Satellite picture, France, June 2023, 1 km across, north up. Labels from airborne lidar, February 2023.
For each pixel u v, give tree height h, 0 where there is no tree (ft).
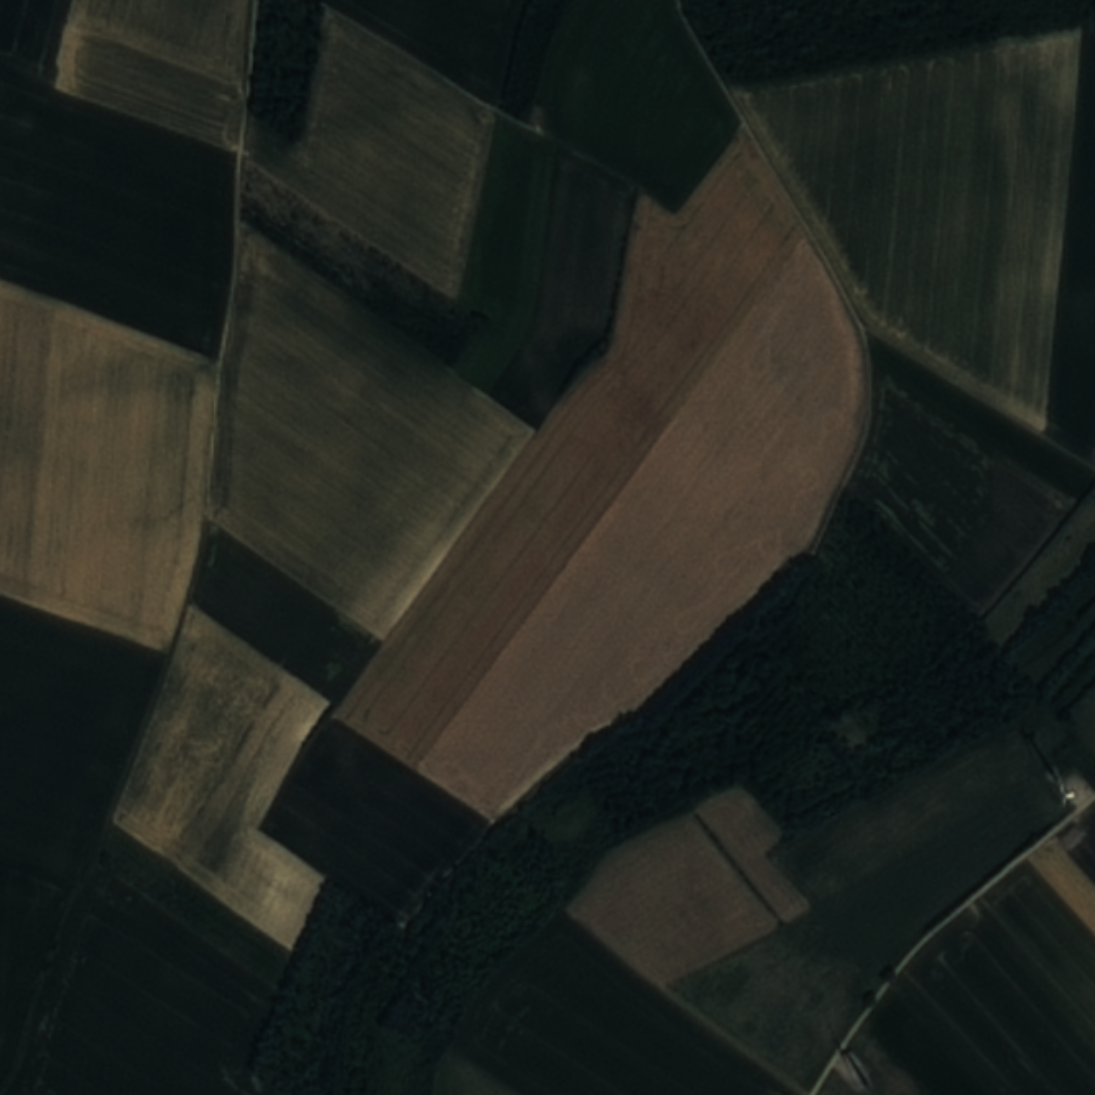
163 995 0
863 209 0
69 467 0
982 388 0
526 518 0
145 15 0
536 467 0
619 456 0
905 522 0
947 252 0
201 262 0
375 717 0
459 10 0
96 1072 0
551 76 0
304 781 0
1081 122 0
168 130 0
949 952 0
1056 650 0
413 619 0
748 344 0
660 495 0
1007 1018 0
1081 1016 0
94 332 0
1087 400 0
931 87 0
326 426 0
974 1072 0
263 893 0
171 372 0
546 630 0
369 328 0
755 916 0
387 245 0
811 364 0
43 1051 0
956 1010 0
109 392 0
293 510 0
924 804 0
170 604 0
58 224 0
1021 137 0
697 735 19
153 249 0
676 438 0
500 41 0
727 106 0
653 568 0
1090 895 0
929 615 34
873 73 0
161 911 0
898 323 0
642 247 0
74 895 0
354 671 0
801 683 32
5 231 0
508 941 22
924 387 0
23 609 0
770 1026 0
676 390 0
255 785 0
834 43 38
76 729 0
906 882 0
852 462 0
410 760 0
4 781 0
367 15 0
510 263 0
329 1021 38
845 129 0
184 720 0
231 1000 0
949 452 0
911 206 0
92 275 0
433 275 0
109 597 0
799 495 0
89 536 0
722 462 0
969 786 0
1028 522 0
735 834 0
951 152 0
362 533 0
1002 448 0
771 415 0
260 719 0
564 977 0
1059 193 0
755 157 0
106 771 0
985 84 0
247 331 0
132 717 0
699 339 0
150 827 0
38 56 0
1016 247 0
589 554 0
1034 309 0
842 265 0
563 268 0
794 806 25
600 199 0
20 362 0
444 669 0
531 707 0
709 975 0
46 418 0
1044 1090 0
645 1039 0
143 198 0
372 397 0
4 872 0
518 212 0
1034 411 0
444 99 0
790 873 0
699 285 0
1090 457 0
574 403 0
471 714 0
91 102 0
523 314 0
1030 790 0
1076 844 0
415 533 0
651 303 0
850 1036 0
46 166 0
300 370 0
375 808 0
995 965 0
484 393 0
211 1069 0
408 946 34
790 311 0
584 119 0
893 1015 0
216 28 0
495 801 0
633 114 0
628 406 0
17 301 0
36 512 0
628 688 0
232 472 0
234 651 0
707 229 0
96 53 0
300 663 0
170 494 0
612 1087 0
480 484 0
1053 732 0
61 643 0
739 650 47
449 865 0
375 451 0
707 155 0
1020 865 0
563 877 19
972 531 0
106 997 0
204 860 0
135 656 0
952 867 0
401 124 0
